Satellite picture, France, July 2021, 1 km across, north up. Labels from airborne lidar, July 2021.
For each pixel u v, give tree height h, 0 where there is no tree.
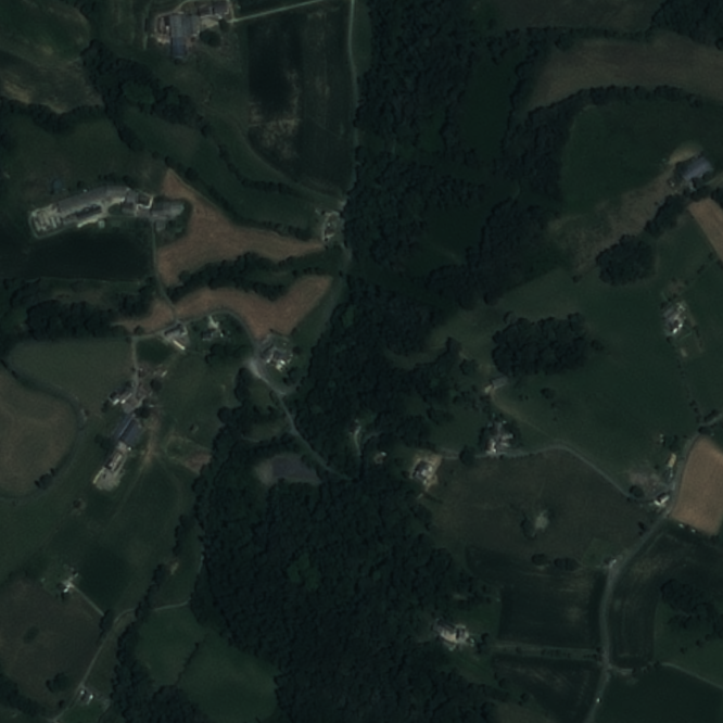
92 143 0
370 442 11
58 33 0
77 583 0
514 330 18
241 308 0
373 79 25
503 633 0
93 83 8
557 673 0
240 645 14
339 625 27
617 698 0
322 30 0
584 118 0
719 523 0
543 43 24
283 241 0
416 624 23
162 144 0
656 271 18
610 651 0
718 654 0
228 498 9
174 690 14
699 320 0
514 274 23
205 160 0
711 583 0
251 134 0
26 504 0
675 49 0
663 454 0
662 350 0
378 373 22
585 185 0
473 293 19
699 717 0
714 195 15
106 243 0
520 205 17
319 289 0
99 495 0
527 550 0
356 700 23
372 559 25
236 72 0
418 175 28
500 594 0
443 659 11
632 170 0
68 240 0
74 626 0
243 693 0
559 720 0
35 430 0
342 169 0
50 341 17
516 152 15
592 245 0
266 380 0
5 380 0
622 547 0
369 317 26
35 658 0
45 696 0
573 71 0
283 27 0
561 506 0
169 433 0
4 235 0
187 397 0
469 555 0
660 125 0
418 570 27
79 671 0
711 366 0
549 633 0
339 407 26
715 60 0
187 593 0
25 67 0
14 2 0
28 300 20
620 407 0
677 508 0
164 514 0
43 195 0
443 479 0
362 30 0
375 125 28
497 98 0
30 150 0
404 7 25
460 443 0
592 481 0
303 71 0
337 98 0
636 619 0
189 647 0
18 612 0
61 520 0
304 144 0
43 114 13
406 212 26
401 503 31
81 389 0
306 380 16
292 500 17
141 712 24
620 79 0
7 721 0
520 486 0
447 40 17
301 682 23
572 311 0
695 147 0
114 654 0
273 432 0
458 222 0
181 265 0
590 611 0
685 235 0
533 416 0
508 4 0
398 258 15
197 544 0
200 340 0
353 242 19
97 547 0
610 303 0
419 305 19
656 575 0
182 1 0
